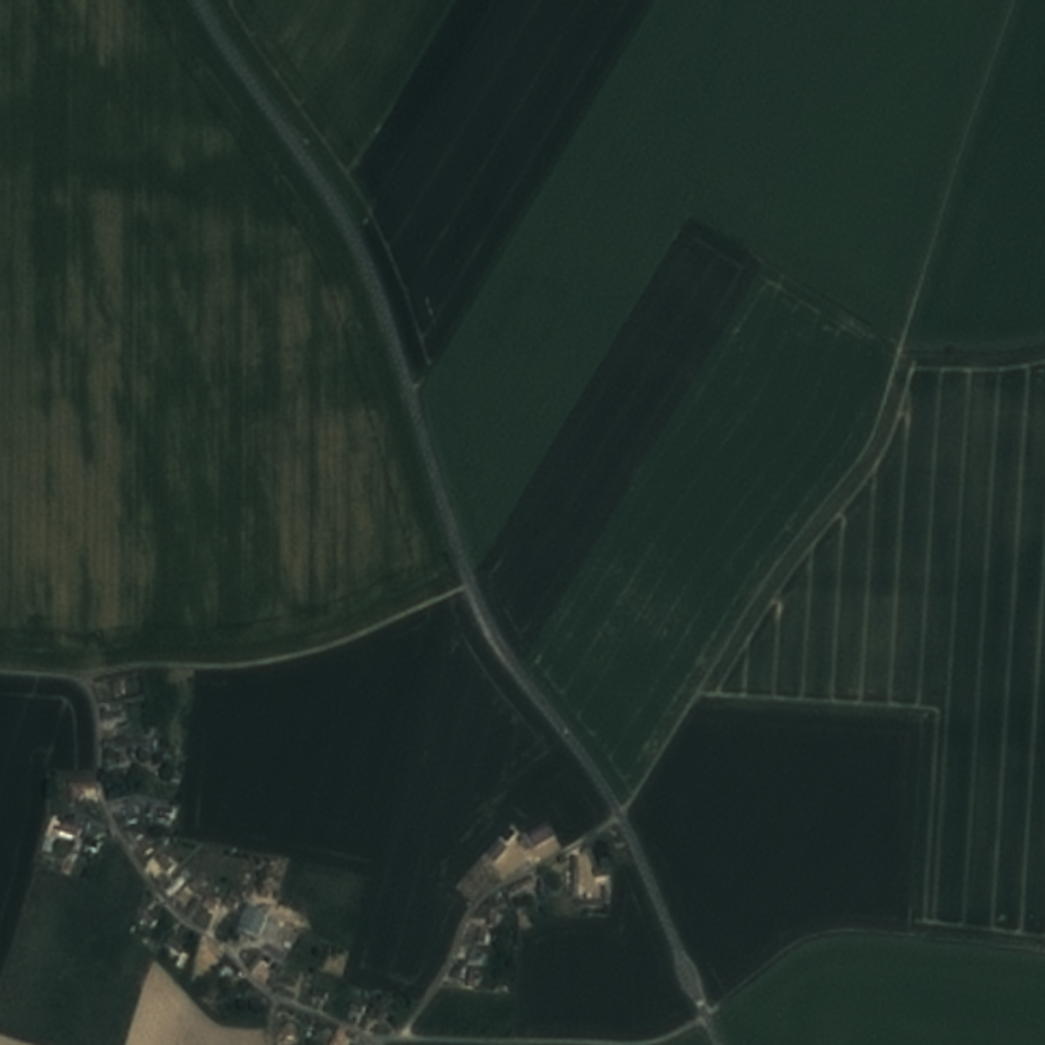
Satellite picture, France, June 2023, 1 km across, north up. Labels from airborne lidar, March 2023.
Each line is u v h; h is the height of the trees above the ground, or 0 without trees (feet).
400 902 0
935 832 0
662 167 0
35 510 0
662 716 0
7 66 0
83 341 0
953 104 0
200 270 0
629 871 0
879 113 0
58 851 31
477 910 0
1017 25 0
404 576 0
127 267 0
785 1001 0
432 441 0
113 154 0
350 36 0
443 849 0
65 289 0
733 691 0
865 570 0
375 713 0
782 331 0
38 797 0
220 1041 0
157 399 0
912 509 0
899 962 0
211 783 0
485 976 0
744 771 0
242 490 0
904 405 0
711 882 0
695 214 0
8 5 0
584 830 0
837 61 0
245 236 0
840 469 0
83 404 0
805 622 0
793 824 0
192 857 0
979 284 0
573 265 0
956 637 0
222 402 0
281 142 0
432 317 0
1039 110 0
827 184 0
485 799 0
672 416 0
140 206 0
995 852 0
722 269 0
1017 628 0
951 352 23
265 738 0
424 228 0
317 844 0
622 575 0
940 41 0
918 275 0
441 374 0
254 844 0
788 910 0
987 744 0
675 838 0
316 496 0
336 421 0
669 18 0
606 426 0
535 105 0
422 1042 0
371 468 0
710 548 0
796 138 0
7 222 0
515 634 0
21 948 0
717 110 0
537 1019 0
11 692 0
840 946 0
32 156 0
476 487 0
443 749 0
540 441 0
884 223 0
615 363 0
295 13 0
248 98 0
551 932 0
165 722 0
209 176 0
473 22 0
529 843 0
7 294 0
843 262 0
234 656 0
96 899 0
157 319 0
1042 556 0
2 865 0
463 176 0
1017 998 0
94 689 21
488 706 0
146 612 0
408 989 0
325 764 0
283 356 0
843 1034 0
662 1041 0
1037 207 0
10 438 0
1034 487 0
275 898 0
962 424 0
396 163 0
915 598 0
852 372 0
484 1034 25
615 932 0
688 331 0
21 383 0
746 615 0
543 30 0
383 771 0
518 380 0
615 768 0
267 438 0
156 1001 0
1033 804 0
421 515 0
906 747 0
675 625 0
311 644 0
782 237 0
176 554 0
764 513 0
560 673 0
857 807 0
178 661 0
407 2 0
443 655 0
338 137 0
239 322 0
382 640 0
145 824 0
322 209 0
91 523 0
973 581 0
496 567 0
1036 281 0
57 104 0
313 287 0
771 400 0
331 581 0
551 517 0
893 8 0
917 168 0
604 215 0
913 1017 0
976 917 0
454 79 0
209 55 0
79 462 0
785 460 0
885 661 0
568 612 0
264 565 0
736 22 0
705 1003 0
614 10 0
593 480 0
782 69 0
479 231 0
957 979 0
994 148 0
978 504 0
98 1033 0
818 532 0
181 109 0
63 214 0
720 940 0
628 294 0
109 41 0
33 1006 0
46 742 0
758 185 0
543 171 0
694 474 0
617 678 0
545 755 0
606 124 0
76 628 0
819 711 0
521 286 0
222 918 0
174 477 0
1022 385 0
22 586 0
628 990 0
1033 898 0
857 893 0
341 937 0
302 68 0
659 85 0
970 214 0
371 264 0
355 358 0
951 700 0
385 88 0
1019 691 0
